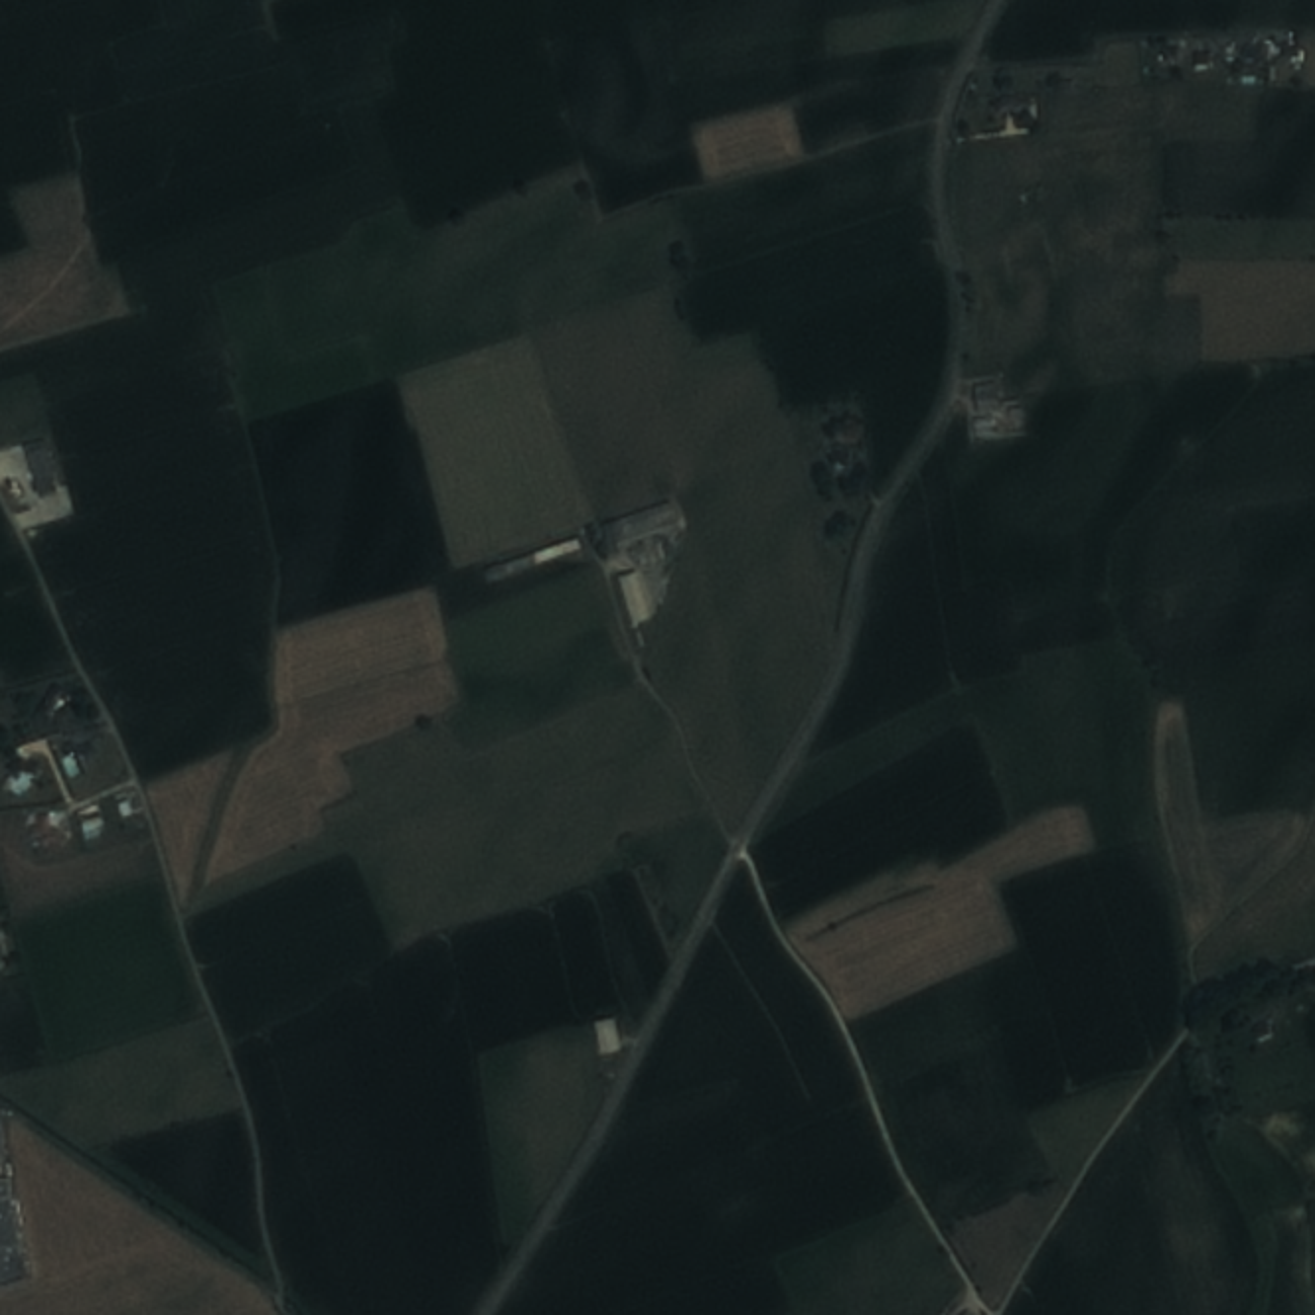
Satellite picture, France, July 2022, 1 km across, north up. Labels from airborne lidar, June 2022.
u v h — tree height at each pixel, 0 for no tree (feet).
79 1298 0
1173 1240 0
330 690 0
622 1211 0
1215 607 0
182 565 0
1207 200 0
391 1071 0
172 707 0
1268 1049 0
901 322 0
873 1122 0
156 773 0
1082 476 0
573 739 0
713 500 0
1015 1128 0
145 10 0
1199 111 0
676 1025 0
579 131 0
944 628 0
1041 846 0
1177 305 0
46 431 0
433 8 0
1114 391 0
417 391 0
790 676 0
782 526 0
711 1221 0
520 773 0
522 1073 0
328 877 0
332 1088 0
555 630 0
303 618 0
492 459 0
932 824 0
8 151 0
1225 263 0
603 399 0
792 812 0
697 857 0
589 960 0
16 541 0
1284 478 0
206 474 0
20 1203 0
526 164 0
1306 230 0
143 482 0
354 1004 0
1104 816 0
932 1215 0
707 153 0
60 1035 0
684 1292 0
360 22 0
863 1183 0
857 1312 0
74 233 0
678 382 0
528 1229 0
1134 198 0
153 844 0
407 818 0
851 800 0
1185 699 0
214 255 0
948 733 0
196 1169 0
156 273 0
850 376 0
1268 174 0
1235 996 57
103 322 0
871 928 0
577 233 0
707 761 0
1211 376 0
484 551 0
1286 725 0
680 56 0
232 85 0
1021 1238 0
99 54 0
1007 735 0
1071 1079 0
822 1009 0
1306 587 0
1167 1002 0
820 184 0
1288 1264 0
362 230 0
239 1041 0
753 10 0
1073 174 0
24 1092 0
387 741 0
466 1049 0
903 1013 0
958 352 0
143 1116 0
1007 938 0
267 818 0
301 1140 0
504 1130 0
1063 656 0
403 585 0
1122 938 0
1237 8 0
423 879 0
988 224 0
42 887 0
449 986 0
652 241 0
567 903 0
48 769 0
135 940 0
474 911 0
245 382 0
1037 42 0
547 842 0
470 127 0
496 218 0
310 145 0
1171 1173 0
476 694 0
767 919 0
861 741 0
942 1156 0
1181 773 0
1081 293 0
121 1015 0
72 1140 0
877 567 0
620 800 0
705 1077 0
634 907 0
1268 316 0
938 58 0
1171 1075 0
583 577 0
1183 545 0
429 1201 0
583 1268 0
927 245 0
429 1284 0
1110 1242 0
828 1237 0
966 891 0
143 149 0
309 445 0
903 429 0
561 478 0
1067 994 0
